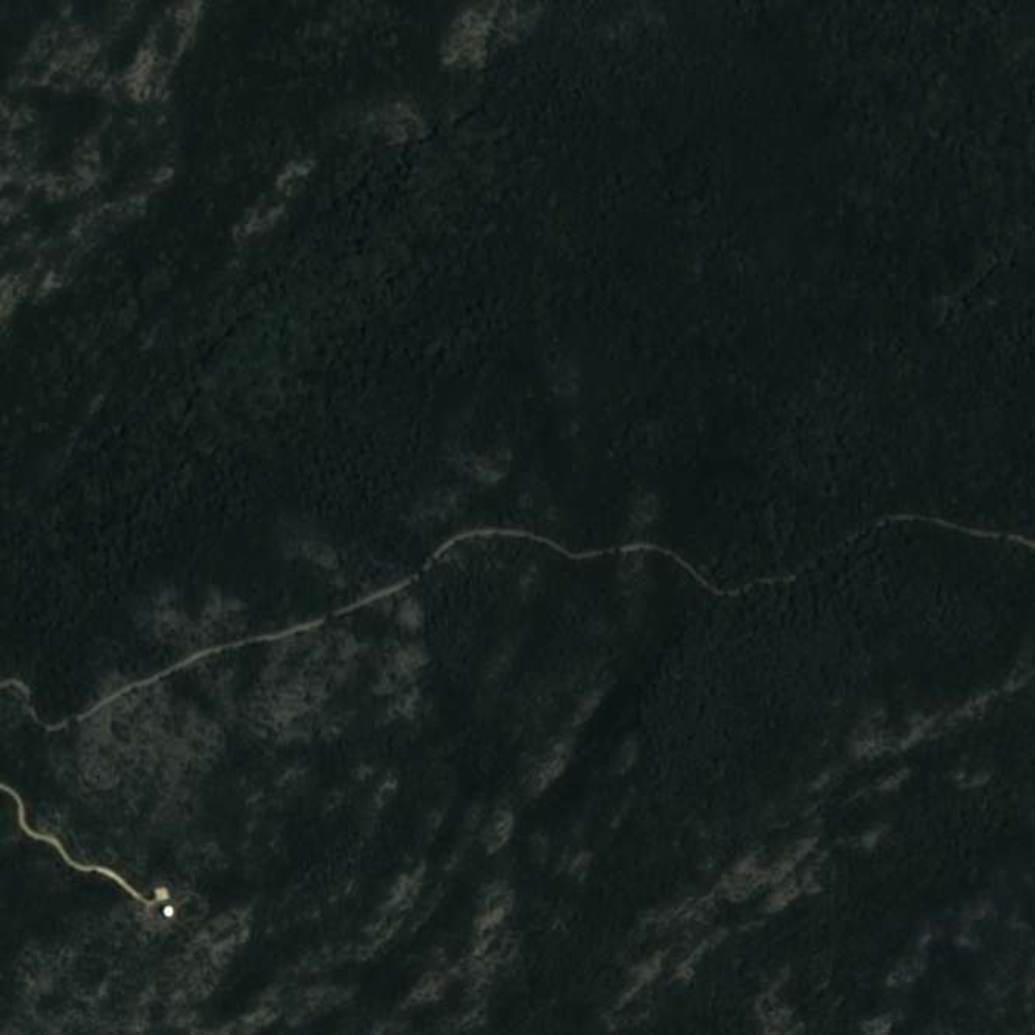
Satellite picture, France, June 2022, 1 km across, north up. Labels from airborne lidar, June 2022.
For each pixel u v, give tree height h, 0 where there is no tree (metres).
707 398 11
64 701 8
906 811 10
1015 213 19
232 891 6
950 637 13
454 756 7
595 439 6
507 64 7
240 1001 9
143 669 7
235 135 10
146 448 13
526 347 8
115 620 6
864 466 11
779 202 7
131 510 8
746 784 7
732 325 11
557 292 10
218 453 17
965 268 8
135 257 8
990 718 10
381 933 7
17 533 10
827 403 16
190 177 9
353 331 11
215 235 10
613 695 7
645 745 7
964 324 10
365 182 12
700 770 13
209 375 19
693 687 18
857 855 6
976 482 13
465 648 9
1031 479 10
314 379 18
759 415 13
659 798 14
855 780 9
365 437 7
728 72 5
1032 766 9
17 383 11
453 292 9
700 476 7
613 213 6
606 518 7
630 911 7
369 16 19
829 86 9
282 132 12
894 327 6
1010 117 13
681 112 6
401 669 0
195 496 13
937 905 7
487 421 8
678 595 5
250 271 9
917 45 10
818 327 7
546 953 11
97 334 13
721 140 7
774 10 12
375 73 10
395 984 6
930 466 10
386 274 17
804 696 12
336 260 19
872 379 17
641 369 6
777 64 7
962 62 15
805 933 12
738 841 9
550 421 7
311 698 5
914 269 9
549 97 6
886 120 12
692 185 10
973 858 15
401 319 11
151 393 15
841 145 8
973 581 8
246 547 7
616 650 11
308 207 8
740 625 9
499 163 14
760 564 7
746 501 9
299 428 11
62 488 9
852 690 7
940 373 7
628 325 13
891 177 17
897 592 15
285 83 17
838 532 8
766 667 14
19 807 0
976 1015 5
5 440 10
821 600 13
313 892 8
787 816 7
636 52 6
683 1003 9
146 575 12
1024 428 16
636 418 9
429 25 7
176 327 8
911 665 5
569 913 8
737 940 6
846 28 15
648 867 12
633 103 8
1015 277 20
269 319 14
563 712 6
